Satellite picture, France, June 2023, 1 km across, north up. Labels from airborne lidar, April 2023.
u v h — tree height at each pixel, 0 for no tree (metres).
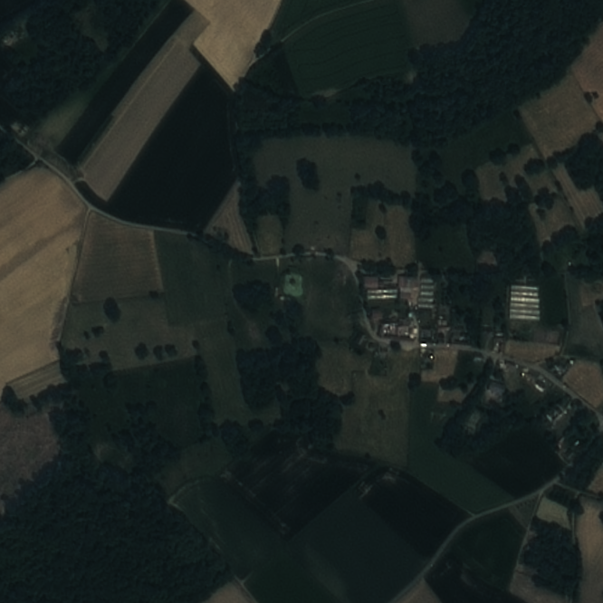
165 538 26
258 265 0
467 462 0
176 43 0
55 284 0
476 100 7
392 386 0
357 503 0
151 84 0
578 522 0
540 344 0
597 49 0
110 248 0
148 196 0
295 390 22
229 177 0
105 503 25
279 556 0
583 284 0
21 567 21
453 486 0
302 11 0
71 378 16
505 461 0
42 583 27
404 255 0
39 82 26
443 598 0
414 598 0
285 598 0
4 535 16
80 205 0
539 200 16
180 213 0
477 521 0
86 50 23
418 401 0
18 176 0
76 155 0
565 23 22
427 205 7
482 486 0
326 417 26
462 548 0
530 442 0
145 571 17
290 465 0
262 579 0
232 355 0
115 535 21
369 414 0
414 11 0
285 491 0
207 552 19
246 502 0
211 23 0
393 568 0
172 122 0
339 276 0
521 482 0
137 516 22
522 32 25
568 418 0
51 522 24
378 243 0
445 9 0
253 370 29
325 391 13
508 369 0
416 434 0
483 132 0
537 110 0
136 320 0
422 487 0
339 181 0
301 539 0
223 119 0
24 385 0
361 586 0
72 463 22
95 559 24
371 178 0
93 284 0
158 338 0
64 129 0
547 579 10
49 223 0
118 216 0
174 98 0
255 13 0
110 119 0
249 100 0
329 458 0
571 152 9
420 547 0
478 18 10
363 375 0
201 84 0
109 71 0
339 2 0
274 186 25
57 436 22
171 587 23
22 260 0
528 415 7
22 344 0
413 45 0
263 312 0
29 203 0
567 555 18
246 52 0
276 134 12
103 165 0
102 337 0
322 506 0
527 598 0
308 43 0
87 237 0
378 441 0
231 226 0
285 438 0
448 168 0
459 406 8
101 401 0
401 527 0
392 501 0
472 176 20
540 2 30
